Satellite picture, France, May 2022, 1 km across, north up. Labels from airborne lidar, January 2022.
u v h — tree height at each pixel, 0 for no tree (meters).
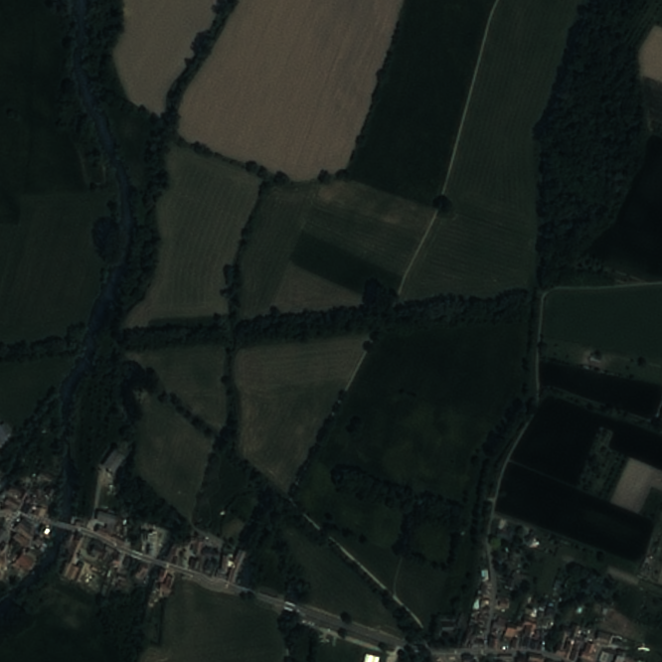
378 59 0
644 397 0
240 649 0
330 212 0
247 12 0
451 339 0
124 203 0
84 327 13
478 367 0
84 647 0
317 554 0
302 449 0
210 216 0
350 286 0
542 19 0
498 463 7
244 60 0
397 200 0
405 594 0
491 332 0
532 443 0
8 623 29
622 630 0
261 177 12
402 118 0
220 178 0
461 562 0
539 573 0
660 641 0
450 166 0
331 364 0
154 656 0
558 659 0
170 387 0
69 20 6
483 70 0
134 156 0
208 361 0
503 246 0
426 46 0
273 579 0
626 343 0
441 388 0
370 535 0
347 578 0
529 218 0
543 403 0
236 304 24
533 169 0
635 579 0
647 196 0
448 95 0
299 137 0
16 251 0
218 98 0
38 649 0
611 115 21
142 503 20
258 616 0
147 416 0
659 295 0
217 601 0
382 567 0
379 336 13
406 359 0
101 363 15
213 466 9
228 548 8
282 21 0
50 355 12
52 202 0
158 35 0
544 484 0
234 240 0
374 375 0
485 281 0
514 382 0
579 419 0
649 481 0
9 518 0
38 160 0
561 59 0
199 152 11
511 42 0
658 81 0
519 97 0
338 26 0
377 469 0
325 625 0
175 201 0
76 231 0
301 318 13
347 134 0
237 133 0
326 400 0
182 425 0
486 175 0
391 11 0
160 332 14
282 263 0
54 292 0
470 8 0
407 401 0
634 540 0
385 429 0
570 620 0
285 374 0
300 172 0
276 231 0
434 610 0
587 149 14
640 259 0
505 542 8
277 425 0
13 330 0
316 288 0
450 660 0
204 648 0
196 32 0
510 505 0
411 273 0
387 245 0
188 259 0
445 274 0
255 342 20
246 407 0
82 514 6
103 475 0
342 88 0
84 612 0
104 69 12
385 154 0
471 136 0
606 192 25
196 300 0
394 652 0
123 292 13
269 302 0
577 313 0
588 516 0
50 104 0
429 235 0
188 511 0
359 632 0
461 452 0
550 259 10
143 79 0
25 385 0
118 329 8
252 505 0
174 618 0
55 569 10
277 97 0
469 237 0
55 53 0
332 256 0
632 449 0
